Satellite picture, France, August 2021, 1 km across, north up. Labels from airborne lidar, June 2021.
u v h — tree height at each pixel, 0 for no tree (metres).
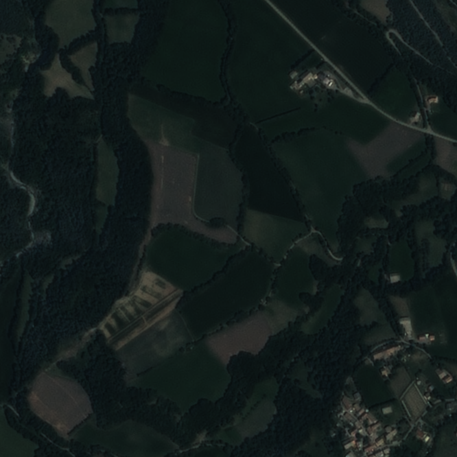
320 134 0
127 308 0
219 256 0
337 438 7
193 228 0
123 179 19
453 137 0
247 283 0
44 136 16
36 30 17
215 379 0
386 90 0
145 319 0
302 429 26
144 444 0
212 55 0
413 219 17
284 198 0
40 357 15
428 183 0
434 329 0
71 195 14
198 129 0
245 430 0
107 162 0
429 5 14
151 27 19
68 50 11
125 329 0
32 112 18
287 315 0
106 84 13
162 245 0
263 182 0
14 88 15
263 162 0
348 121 0
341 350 27
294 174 0
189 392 0
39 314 18
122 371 14
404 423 9
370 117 0
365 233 14
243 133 11
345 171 0
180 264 0
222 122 0
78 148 10
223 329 11
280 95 0
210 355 0
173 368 0
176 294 0
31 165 18
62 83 0
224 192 0
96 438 0
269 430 11
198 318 0
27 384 13
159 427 16
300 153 0
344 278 21
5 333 0
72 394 0
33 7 26
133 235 17
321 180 0
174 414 8
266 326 0
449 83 20
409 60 14
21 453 0
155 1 24
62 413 0
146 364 0
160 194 0
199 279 0
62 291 22
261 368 22
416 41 9
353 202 14
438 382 0
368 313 0
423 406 0
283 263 13
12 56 9
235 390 22
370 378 0
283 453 17
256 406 8
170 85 0
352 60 0
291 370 17
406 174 0
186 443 13
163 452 0
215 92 0
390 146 0
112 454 7
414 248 20
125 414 14
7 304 0
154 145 0
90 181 17
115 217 25
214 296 0
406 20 10
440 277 19
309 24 0
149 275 0
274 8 0
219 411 12
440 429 19
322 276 24
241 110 16
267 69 0
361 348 18
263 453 13
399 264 0
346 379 16
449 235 21
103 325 0
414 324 0
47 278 18
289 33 0
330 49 0
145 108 0
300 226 0
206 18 0
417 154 0
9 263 10
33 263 13
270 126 0
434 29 11
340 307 13
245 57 0
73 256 12
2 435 0
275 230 0
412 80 14
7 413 16
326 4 0
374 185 11
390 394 0
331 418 13
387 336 0
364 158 0
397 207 0
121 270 15
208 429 17
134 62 6
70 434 9
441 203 23
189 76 0
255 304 0
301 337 23
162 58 0
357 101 0
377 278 0
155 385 0
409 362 0
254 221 0
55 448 15
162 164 0
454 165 0
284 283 0
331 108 0
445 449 0
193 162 0
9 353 0
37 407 0
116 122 9
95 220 25
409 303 0
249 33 0
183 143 0
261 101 0
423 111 8
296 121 0
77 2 0
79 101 16
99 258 20
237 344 0
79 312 19
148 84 14
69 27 0
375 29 21
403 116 0
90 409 0
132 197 26
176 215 0
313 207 0
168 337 0
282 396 18
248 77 0
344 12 10
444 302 0
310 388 0
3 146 14
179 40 0
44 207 14
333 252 9
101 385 24
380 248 21
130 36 0
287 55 0
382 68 0
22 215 19
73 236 21
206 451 0
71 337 15
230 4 12
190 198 0
